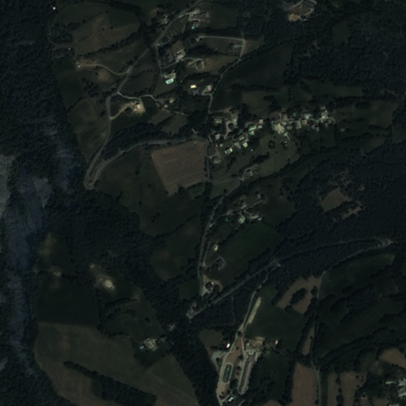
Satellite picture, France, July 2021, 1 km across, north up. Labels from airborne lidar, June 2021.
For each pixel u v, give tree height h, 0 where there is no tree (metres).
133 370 0
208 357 12
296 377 0
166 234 8
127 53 0
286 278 14
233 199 11
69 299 0
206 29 7
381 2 16
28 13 19
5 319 14
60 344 0
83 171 12
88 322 0
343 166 9
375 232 15
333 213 14
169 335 10
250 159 0
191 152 0
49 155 11
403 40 17
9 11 27
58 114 6
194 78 10
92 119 0
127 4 8
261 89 11
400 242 11
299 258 19
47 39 13
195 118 16
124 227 14
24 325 7
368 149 0
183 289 0
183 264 0
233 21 0
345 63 16
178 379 0
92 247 15
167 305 20
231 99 0
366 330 0
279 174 7
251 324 0
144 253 18
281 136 0
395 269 17
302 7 0
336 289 0
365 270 0
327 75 18
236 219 7
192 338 12
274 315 0
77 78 0
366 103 14
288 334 0
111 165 0
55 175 6
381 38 18
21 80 19
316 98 11
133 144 7
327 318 0
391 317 13
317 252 17
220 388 0
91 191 15
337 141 9
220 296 16
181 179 0
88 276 18
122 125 0
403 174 16
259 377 17
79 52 0
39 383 12
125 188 0
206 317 14
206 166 6
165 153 0
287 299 0
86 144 0
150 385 0
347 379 0
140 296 0
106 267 6
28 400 16
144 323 0
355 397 6
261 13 8
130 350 0
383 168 21
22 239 0
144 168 0
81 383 0
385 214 15
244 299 11
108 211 17
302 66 18
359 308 18
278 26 12
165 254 0
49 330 0
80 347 0
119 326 0
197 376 23
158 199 0
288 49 0
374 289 25
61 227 21
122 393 20
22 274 10
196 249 13
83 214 14
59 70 0
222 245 11
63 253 0
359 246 12
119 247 14
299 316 0
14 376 8
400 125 18
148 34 11
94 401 0
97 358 0
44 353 0
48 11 19
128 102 8
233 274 0
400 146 12
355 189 11
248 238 0
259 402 13
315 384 0
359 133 0
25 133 6
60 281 0
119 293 0
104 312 20
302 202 17
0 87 16
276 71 0
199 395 19
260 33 6
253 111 0
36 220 0
